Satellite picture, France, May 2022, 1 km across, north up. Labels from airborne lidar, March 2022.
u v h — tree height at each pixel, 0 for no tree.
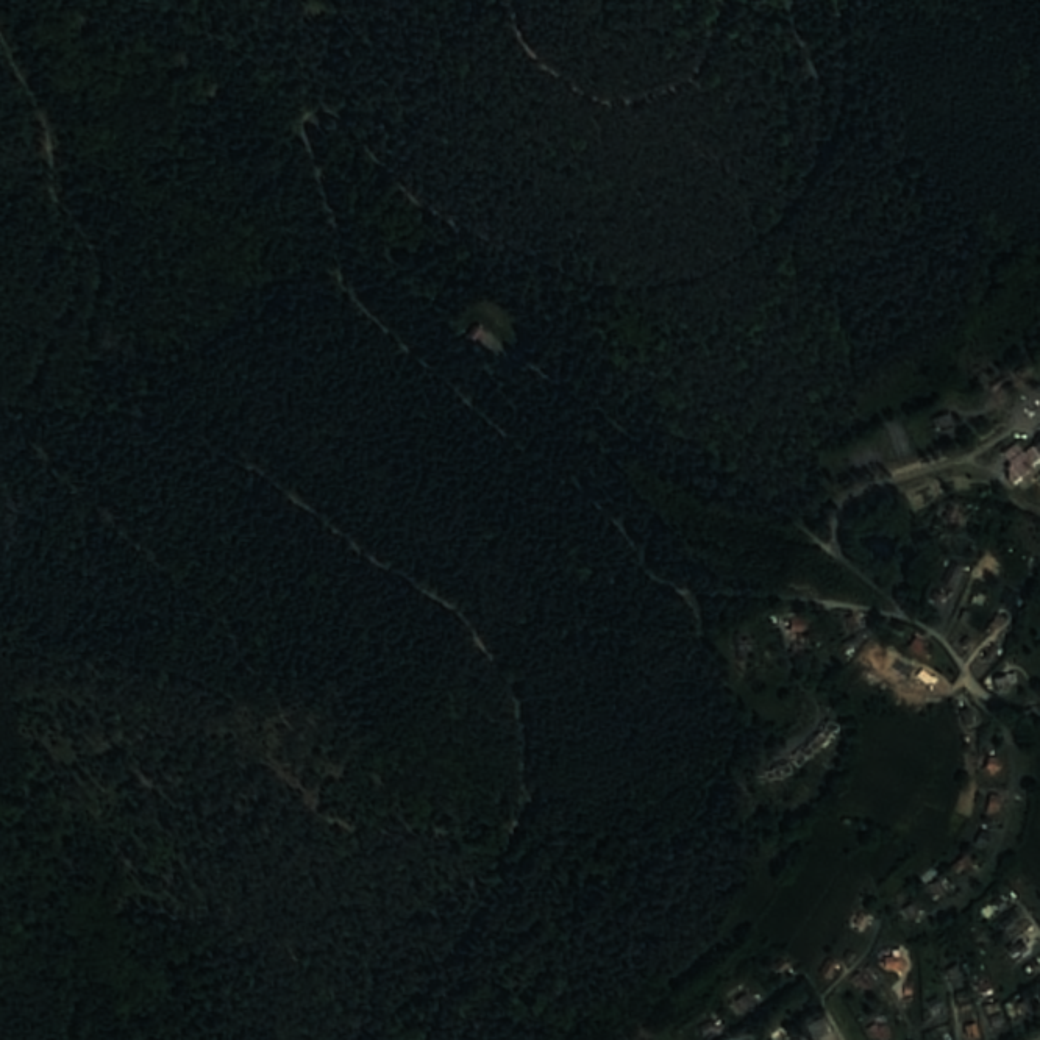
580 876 19
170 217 19
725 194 20
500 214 25
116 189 23
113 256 22
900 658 0
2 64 14
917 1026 0
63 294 17
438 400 29
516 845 17
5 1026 27
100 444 26
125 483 24
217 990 34
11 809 23
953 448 18
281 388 28
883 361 28
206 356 25
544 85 22
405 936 21
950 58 17
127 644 25
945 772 0
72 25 11
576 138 26
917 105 18
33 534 22
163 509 17
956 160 22
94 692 24
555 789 21
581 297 20
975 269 28
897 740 0
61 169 8
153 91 9
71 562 16
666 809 20
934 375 22
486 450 29
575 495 23
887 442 0
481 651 6
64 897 17
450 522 24
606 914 33
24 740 13
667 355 23
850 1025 0
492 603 23
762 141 18
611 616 30
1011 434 0
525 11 26
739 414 28
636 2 33
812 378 22
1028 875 0
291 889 24
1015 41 21
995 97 15
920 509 0
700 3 30
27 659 13
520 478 32
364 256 21
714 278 18
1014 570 0
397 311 29
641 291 20
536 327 32
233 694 14
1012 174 20
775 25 22
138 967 24
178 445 33
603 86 22
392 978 23
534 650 26
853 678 0
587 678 26
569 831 20
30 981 24
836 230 29
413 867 29
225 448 24
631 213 19
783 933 0
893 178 30
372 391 26
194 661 14
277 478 21
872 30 16
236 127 27
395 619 26
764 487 22
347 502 20
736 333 21
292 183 19
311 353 31
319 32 23
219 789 27
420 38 32
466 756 19
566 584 23
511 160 24
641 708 21
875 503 27
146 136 10
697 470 26
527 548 21
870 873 0
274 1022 32
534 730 27
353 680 27
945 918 14
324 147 24
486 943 34
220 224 15
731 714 19
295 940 26
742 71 25
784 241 29
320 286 22
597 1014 15
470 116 29
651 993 15
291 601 22
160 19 23
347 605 27
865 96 24
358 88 33
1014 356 21
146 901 16
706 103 19
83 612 26
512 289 30
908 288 35
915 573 24
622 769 23
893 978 0
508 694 27
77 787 31
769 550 8
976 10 23
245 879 34
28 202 19
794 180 30
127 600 16
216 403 23
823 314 27
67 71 14
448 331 31
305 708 18
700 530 9
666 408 31
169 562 20
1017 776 0
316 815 24
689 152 20
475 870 35
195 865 37
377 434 24
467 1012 29
